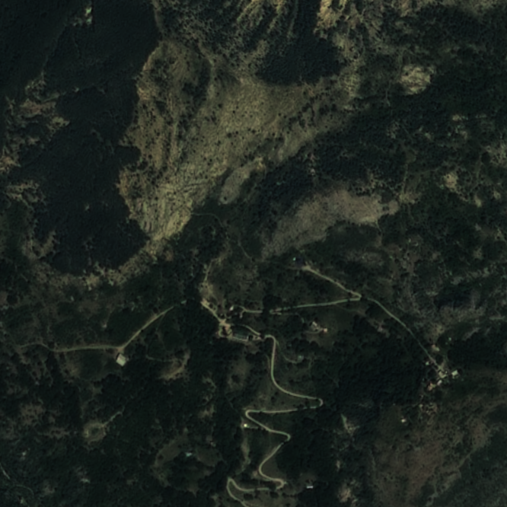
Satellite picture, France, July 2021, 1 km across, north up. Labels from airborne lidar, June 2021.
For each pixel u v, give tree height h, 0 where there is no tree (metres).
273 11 6
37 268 0
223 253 0
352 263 7
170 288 9
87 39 14
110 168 13
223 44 7
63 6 15
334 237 0
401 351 7
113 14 17
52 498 7
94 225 20
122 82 9
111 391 14
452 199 10
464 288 17
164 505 11
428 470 0
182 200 0
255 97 0
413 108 11
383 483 0
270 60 6
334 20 0
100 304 0
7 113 12
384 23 6
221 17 8
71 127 12
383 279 0
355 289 7
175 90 0
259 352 11
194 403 9
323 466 11
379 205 0
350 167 13
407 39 9
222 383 13
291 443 7
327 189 0
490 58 14
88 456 7
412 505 0
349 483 7
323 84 0
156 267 9
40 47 14
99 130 12
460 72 7
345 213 0
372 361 8
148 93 0
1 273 11
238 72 0
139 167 8
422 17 7
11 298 14
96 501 7
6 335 8
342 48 6
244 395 9
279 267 9
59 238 12
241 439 11
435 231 11
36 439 9
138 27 16
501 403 0
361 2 8
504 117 10
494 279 6
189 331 11
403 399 8
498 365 11
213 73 0
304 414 6
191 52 0
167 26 11
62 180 13
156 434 9
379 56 7
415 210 6
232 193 0
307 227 0
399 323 7
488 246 7
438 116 10
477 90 12
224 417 9
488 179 0
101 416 6
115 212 17
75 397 12
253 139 0
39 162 10
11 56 18
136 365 16
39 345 8
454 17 7
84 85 13
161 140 0
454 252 6
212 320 14
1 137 11
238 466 12
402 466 0
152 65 0
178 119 0
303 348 13
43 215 16
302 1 8
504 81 7
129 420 10
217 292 0
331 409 12
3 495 7
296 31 9
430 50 7
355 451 6
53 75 10
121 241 17
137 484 13
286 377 0
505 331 15
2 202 10
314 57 12
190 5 6
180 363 6
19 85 10
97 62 8
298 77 6
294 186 8
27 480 8
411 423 8
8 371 6
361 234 0
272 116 0
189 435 9
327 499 15
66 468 11
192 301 15
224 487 7
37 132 11
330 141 8
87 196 14
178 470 12
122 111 11
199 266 8
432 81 8
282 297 9
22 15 17
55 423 7
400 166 6
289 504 6
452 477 0
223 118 0
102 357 0
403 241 0
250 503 0
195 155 0
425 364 12
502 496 0
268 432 11
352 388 17
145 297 6
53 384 11
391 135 6
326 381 11
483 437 0
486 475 8
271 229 6
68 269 11
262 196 5
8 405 11
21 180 8
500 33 11
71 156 12
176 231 0
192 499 13
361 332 11
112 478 9
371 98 9
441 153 8
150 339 11
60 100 8
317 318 9
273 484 11
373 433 6
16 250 6
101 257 11
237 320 8
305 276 7
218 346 16
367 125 9
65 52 19
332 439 7
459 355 15
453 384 7
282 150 0
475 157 13
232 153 0
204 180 0
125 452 7
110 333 10
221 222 0
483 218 11
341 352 9
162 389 15
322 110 7
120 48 11
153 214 0
